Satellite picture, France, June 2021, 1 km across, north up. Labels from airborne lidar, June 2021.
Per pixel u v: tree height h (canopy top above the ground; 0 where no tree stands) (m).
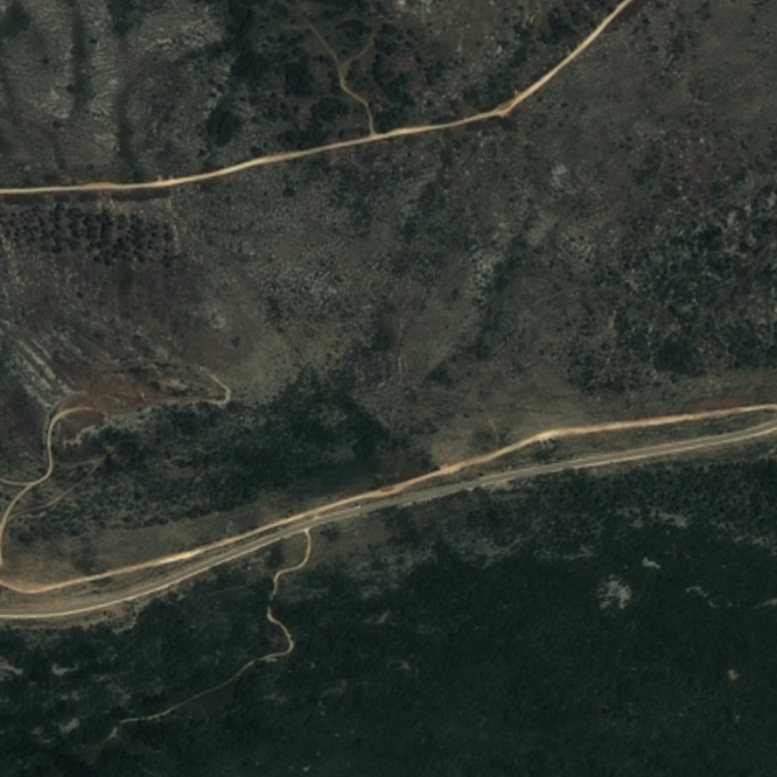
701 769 12
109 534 0
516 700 6
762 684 7
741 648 9
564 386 0
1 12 0
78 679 6
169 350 0
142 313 0
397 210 0
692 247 7
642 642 11
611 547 10
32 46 0
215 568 0
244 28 8
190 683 9
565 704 8
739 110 0
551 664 7
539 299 0
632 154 0
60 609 0
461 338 0
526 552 8
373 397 0
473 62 0
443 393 0
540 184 0
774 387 0
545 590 10
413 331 0
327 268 0
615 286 0
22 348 0
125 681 7
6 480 0
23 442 0
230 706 7
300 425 6
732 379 0
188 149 0
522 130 0
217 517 0
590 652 8
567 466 0
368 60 0
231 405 5
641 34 0
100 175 0
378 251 0
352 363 0
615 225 0
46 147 0
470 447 0
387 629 8
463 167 0
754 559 9
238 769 6
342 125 0
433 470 0
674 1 0
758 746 7
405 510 0
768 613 8
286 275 0
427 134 0
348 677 6
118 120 0
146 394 0
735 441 0
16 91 0
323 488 0
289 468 7
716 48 0
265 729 7
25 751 10
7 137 0
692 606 10
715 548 6
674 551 6
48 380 0
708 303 9
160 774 6
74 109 0
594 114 0
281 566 0
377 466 0
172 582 0
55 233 12
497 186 0
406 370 0
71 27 0
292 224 0
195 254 0
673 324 0
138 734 10
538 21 0
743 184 0
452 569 7
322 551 0
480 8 0
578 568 6
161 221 0
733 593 8
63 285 0
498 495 0
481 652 10
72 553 0
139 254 10
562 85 0
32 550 0
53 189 0
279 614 6
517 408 0
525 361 0
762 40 0
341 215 0
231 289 0
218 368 0
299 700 8
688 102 0
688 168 0
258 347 0
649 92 0
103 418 0
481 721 6
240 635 7
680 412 0
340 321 0
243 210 0
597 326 0
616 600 6
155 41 0
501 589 8
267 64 6
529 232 0
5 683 8
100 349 0
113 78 0
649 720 5
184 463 7
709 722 7
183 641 6
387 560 0
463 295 0
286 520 0
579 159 0
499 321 0
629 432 0
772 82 0
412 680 6
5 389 0
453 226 0
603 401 0
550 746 6
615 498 8
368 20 0
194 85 0
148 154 0
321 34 0
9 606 0
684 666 8
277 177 0
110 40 0
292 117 5
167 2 0
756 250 9
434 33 0
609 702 8
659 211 0
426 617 7
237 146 0
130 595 0
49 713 10
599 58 0
